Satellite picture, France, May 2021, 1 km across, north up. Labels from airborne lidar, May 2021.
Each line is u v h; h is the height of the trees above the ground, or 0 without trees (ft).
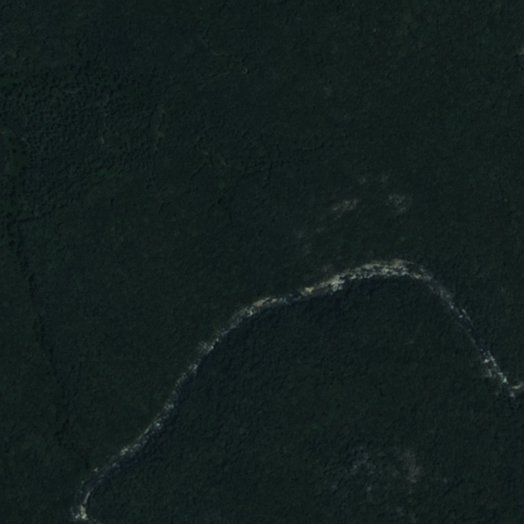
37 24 46
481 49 55
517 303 43
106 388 39
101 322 29
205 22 45
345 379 33
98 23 41
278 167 48
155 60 43
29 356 56
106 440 26
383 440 51
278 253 36
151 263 38
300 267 31
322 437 44
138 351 34
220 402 38
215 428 41
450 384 22
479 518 37
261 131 49
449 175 33
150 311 36
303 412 51
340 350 50
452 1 45
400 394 60
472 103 41
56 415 72
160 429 24
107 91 37
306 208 32
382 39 46
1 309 32
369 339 52
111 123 26
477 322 23
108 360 34
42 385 63
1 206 29
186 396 43
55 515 53
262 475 52
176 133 45
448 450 62
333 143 35
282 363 39
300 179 45
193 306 50
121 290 40
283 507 28
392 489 27
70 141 38
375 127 39
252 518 26
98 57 51
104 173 30
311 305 23
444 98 25
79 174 39
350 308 28
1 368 41
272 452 42
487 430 63
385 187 31
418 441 39
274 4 33
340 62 42
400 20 40
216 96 28
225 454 45
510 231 34
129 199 47
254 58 42
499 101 43
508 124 53
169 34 36
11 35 35
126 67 35
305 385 41
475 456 73
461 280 35
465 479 56
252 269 31
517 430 59
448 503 50
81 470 50
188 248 39
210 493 40
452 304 0
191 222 39
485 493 71
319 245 43
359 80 45
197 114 46
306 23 34
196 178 44
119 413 48
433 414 42
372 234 28
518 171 47
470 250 43
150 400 31
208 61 34
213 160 36
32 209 33
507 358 31
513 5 48
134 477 48
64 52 41
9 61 44
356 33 30
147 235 35
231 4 44
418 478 43
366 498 40
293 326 52
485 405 60
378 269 0
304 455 55
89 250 38
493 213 38
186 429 56
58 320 36
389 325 52
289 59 36
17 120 31
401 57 42
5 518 43
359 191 37
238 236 49
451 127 41
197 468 49
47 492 58
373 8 48
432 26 40
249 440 35
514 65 49
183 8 39
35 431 54
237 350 48
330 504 31
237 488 34
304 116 44
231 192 43
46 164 35
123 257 43
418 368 57
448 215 47
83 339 35
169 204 28
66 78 19
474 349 40
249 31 43
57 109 33
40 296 47
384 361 41
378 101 48
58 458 51
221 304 30
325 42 41
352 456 34
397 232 39
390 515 38
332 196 31
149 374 39
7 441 37
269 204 29
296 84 36
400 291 59
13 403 39
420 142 55
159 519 41
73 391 40
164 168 37
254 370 51
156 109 18
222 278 49
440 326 46
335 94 27
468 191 41
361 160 24
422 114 34
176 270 45
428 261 37
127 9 44
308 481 45
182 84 52
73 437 49
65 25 51
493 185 41
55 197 42
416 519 21
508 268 39
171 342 36
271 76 25
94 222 54
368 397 54
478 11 49
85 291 32
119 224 36
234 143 34
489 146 67
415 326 38
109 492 43
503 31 52
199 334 44
